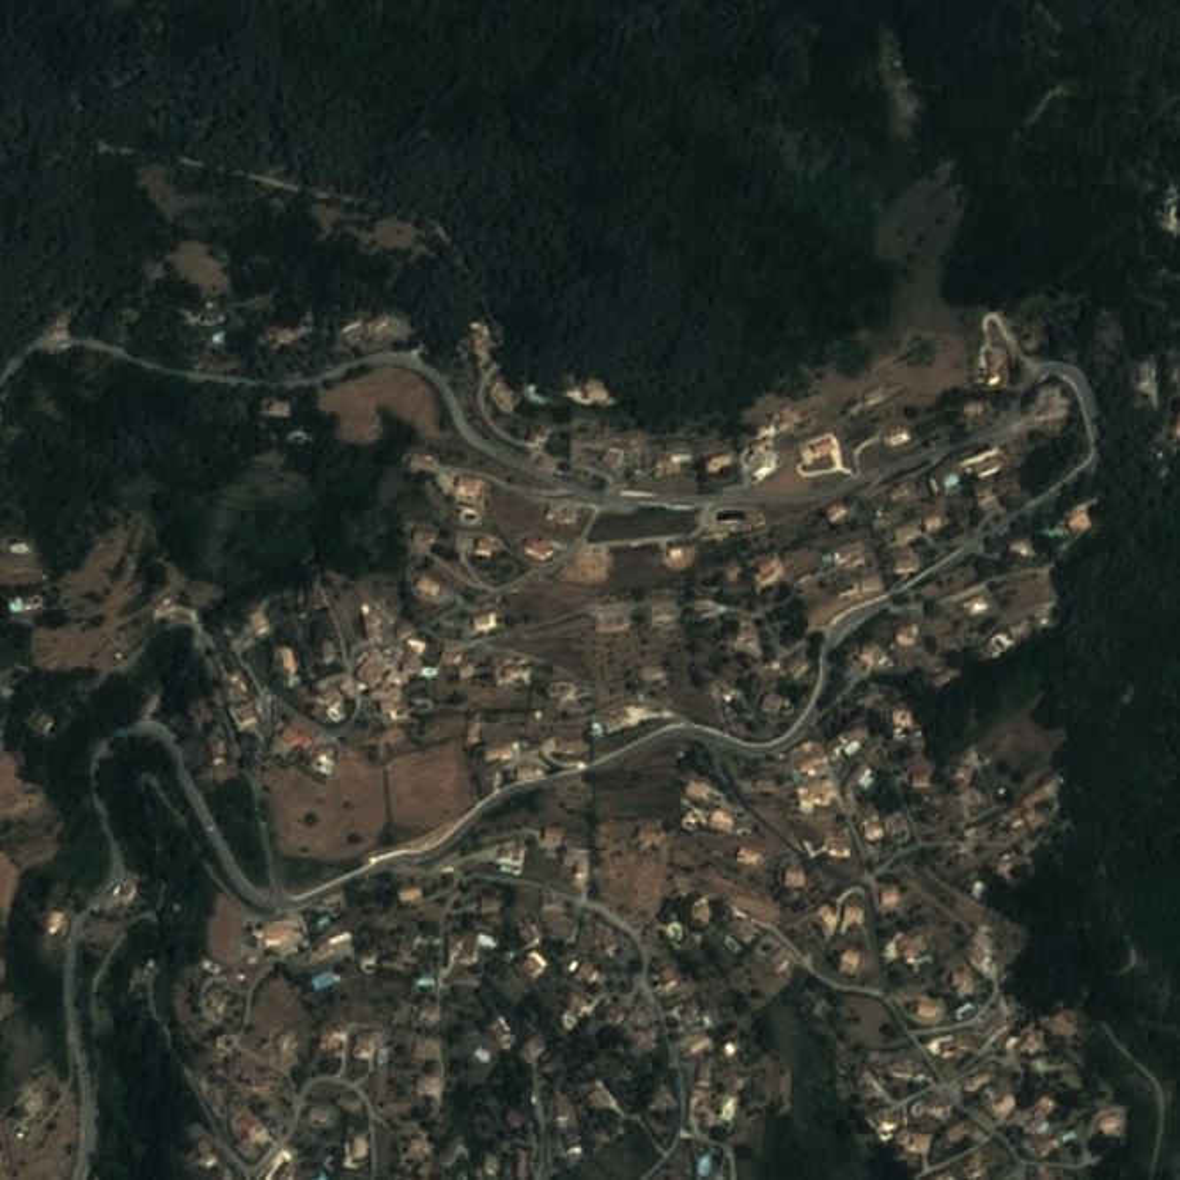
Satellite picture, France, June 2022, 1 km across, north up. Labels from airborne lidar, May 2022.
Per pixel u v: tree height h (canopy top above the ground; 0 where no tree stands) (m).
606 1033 16
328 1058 9
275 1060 0
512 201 16
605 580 0
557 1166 10
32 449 7
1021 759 0
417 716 6
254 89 20
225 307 12
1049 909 12
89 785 13
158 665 14
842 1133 15
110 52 24
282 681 7
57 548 8
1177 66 12
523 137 15
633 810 0
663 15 19
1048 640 12
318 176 23
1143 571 22
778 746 0
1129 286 14
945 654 5
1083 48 14
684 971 9
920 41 14
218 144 26
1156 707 15
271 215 11
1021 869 11
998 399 14
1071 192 15
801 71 21
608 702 0
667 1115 10
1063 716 9
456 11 18
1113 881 13
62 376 15
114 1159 8
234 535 6
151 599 7
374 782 0
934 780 6
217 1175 8
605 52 17
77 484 6
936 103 6
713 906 9
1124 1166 12
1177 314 12
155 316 12
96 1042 10
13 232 12
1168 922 18
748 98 18
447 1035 6
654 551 0
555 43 19
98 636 0
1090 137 11
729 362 20
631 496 0
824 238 13
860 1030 0
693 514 0
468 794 0
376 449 8
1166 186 8
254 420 11
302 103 23
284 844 0
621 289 23
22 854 0
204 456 17
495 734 0
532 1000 9
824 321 14
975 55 14
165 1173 10
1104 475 10
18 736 12
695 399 20
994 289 15
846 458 0
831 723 6
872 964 0
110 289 14
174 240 12
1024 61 14
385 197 20
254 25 18
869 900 0
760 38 8
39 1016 8
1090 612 17
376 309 14
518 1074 7
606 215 15
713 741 0
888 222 0
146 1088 24
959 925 6
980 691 9
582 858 0
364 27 14
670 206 16
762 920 0
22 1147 0
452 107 12
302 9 16
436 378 0
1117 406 21
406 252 7
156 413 15
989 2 12
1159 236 13
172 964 12
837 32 12
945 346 0
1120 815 20
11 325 20
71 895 9
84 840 8
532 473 0
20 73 21
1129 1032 10
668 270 20
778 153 8
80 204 21
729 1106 0
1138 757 15
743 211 12
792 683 6
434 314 23
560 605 0
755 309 15
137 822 12
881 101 10
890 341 0
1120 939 8
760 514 0
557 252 9
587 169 18
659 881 0
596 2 18
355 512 8
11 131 15
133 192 11
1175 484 10
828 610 0
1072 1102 14
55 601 10
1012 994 10
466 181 17
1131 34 18
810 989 7
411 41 15
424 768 0
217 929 0
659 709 0
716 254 17
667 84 19
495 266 20
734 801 7
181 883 6
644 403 14
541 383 18
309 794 0
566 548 0
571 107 13
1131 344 10
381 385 0
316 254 8
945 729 15
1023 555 7
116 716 11
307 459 15
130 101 17
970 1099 6
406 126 10
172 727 6
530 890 0
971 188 8
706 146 11
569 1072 6
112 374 12
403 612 7
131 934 7
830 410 0
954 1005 6
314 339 16
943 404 8
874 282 8
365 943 8
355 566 8
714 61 18
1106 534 13
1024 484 10
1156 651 13
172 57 11
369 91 10
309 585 7
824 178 6
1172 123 10
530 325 21
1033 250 18
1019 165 7
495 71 20
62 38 15
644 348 23
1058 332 20
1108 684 15
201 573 7
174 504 7
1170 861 20
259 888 0
